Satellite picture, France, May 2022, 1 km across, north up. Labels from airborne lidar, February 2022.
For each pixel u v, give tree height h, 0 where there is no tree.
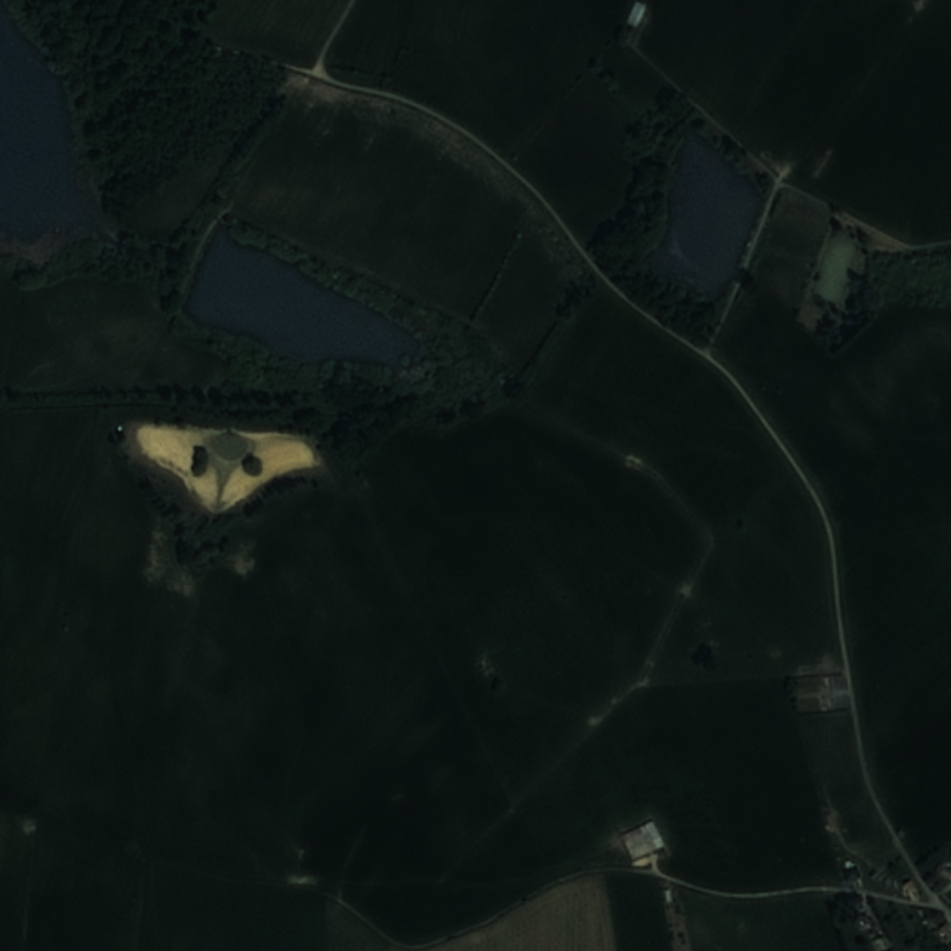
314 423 13
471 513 0
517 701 0
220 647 0
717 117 0
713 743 0
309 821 0
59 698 0
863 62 0
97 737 0
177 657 0
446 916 0
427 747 0
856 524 0
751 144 0
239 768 0
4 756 0
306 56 0
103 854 0
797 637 0
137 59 16
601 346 0
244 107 15
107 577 0
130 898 0
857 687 0
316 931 0
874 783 0
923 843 0
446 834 0
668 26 0
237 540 0
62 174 0
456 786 0
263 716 0
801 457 0
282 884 0
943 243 0
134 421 0
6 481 0
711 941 0
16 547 0
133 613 0
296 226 0
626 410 0
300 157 0
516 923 0
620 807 0
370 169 0
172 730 0
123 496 0
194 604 0
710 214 0
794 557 0
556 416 0
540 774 0
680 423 0
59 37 19
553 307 0
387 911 0
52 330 0
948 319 0
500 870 0
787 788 0
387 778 0
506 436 0
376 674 0
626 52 0
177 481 0
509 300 0
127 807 0
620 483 0
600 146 0
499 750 0
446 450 0
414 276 0
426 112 0
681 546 0
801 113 0
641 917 0
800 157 0
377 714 0
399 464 0
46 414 0
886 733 0
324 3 0
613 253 18
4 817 0
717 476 0
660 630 0
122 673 0
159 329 0
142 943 0
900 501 0
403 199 0
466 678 0
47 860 0
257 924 0
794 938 0
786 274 0
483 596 0
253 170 0
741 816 0
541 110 0
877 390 0
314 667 0
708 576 0
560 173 0
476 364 5
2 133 0
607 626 0
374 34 0
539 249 0
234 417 12
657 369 0
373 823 0
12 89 0
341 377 18
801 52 0
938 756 0
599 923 0
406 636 0
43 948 0
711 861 0
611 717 0
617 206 0
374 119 0
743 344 0
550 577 0
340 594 0
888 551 0
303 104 0
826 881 0
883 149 0
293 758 0
